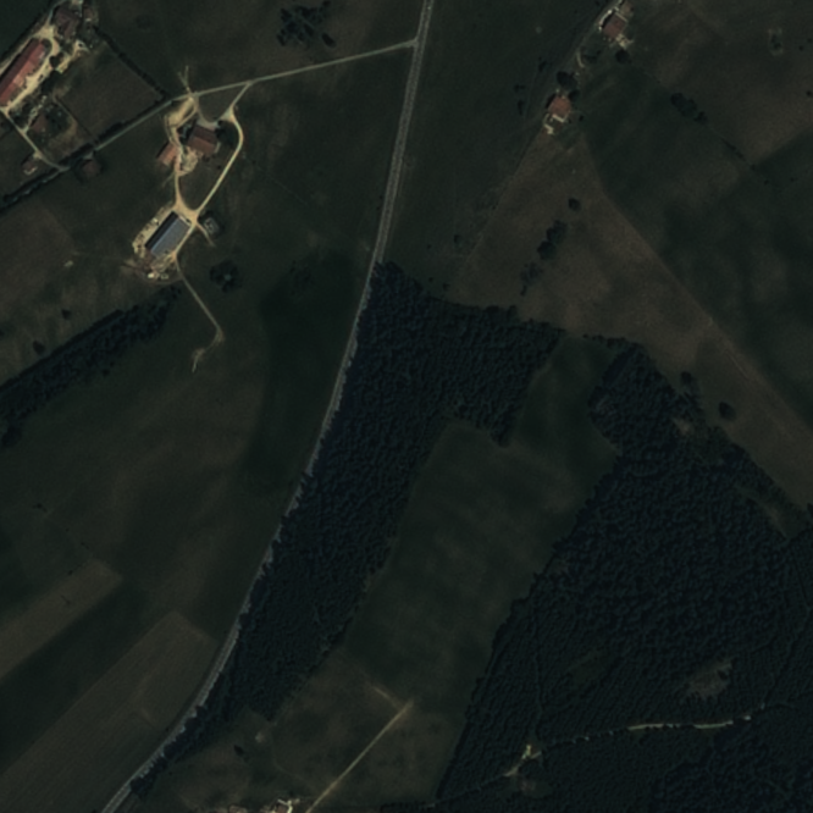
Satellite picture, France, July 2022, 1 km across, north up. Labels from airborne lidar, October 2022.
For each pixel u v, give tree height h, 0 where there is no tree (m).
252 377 0
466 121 0
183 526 0
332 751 0
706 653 15
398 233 0
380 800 0
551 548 0
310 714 0
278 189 0
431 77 0
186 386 0
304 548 19
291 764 0
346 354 0
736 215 0
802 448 0
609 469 0
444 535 0
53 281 0
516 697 12
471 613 0
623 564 36
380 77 0
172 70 0
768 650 15
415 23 0
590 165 0
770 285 0
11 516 0
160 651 0
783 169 0
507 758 13
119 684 0
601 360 0
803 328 0
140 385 0
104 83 0
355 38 0
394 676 0
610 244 0
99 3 0
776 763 31
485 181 0
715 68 0
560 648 14
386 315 26
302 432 0
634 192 0
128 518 0
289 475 0
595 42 0
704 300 0
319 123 0
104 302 0
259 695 13
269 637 15
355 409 23
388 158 0
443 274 0
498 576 0
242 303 0
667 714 15
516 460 0
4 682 0
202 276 0
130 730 0
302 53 0
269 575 19
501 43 0
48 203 0
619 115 0
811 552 14
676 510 31
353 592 15
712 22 0
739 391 0
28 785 0
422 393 16
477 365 17
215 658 0
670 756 15
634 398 28
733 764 28
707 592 36
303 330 0
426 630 0
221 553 0
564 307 0
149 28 0
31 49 0
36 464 0
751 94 0
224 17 0
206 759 0
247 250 0
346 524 30
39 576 0
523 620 16
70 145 0
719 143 0
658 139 0
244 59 0
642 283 0
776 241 0
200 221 7
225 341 0
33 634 0
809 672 16
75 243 0
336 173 0
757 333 0
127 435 0
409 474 18
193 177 0
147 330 13
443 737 0
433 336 15
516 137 0
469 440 0
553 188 0
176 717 0
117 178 0
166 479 0
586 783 18
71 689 0
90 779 0
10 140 0
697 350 0
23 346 0
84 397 0
